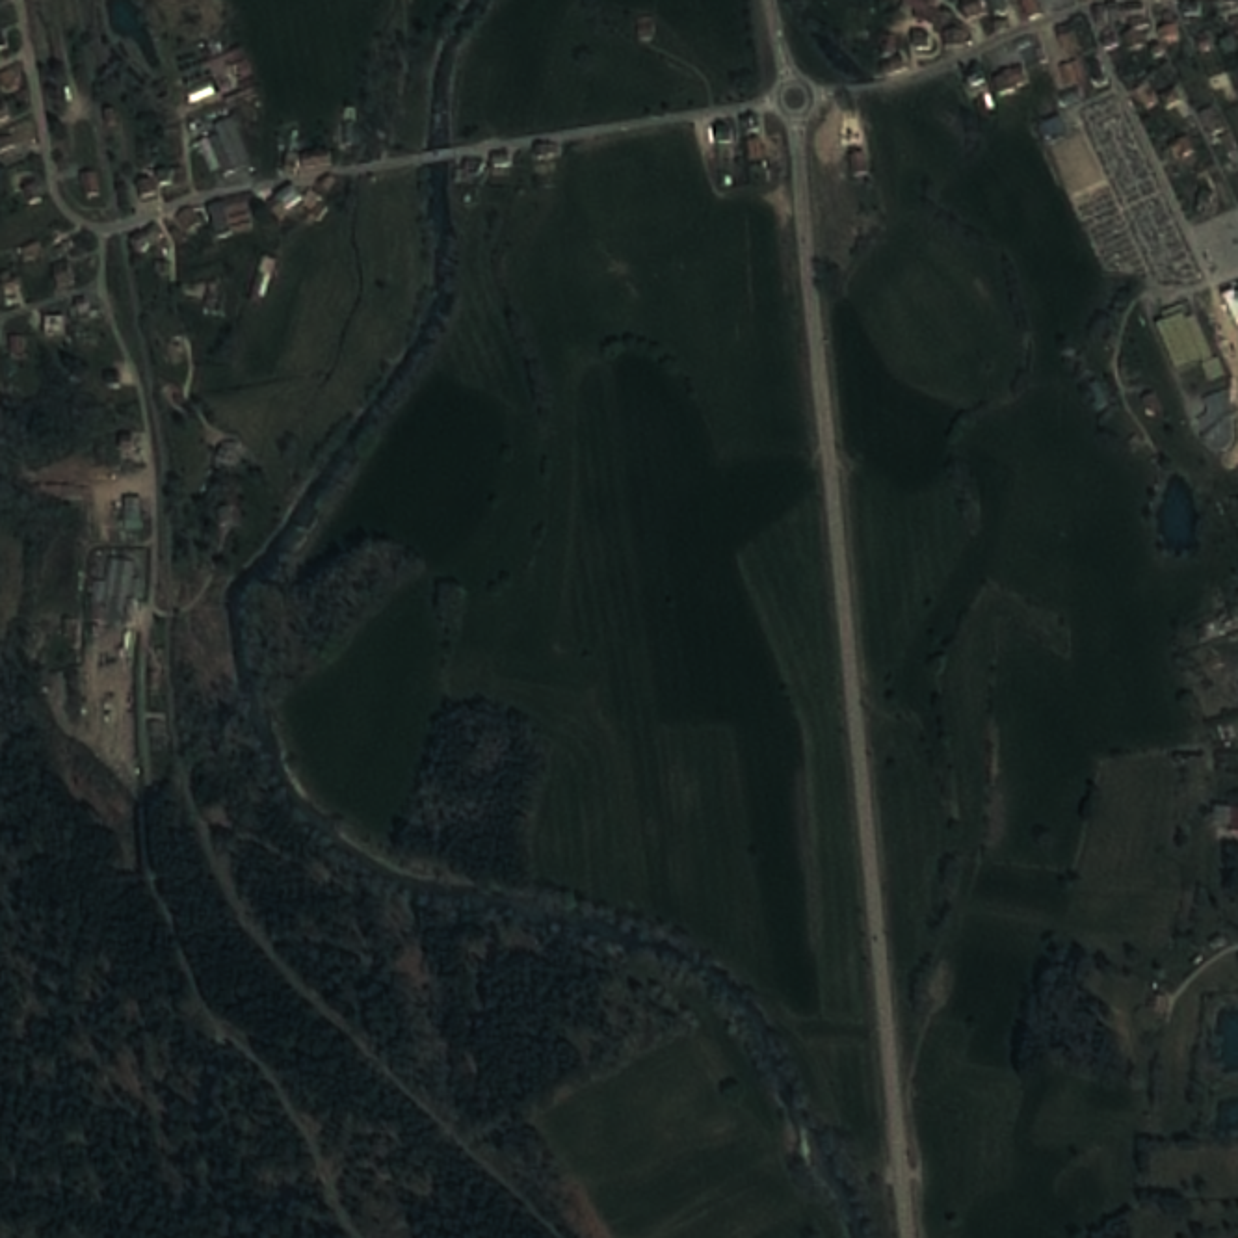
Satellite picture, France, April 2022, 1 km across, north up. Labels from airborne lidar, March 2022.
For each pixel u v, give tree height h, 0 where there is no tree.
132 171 12
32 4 0
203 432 0
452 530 0
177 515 14
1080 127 0
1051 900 0
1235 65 8
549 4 0
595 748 0
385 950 21
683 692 0
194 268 0
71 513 12
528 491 0
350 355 0
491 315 0
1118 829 0
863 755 0
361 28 0
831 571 0
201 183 0
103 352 0
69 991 30
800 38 0
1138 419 0
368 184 0
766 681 0
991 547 0
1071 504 0
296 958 26
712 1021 0
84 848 19
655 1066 0
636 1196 0
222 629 0
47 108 0
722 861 0
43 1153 25
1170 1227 0
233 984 27
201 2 0
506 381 0
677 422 0
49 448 17
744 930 0
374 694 0
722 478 0
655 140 0
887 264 0
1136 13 0
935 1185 0
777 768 0
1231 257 0
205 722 13
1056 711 0
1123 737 0
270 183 0
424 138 0
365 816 0
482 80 0
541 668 0
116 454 0
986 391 0
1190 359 0
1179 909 0
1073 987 17
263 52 0
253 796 12
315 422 0
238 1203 23
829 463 0
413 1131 18
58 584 0
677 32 0
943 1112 0
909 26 0
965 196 0
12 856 18
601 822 0
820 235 0
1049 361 0
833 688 0
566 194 0
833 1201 17
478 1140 23
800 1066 8
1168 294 0
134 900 20
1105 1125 0
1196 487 0
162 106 0
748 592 0
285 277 0
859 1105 0
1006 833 0
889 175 0
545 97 0
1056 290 0
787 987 0
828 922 0
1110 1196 0
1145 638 0
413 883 0
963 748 0
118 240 0
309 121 0
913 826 0
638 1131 0
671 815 0
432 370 18
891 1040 0
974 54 0
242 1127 30
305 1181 9
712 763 0
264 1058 22
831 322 0
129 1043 11
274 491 17
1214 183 0
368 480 0
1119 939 0
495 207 0
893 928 0
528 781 25
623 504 0
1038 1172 0
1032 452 0
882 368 0
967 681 0
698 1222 0
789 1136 0
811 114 0
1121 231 0
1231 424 0
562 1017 19
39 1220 19
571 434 0
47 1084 12
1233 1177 0
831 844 0
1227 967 0
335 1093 16
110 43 0
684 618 0
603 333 0
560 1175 15
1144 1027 0
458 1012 12
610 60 0
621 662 0
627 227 0
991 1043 0
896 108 0
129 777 0
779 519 0
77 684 16
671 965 22
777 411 0
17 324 0
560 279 0
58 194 0
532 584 0
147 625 0
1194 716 0
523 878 26
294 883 12
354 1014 16
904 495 0
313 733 0
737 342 0
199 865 21
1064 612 0
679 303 0
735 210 0
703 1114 0
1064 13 0
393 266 0
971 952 0
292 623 0
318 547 0
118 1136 12
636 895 0
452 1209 18
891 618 0
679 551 0
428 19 0
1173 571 0
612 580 0
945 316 0
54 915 9
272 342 0
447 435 0
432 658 0
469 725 20
